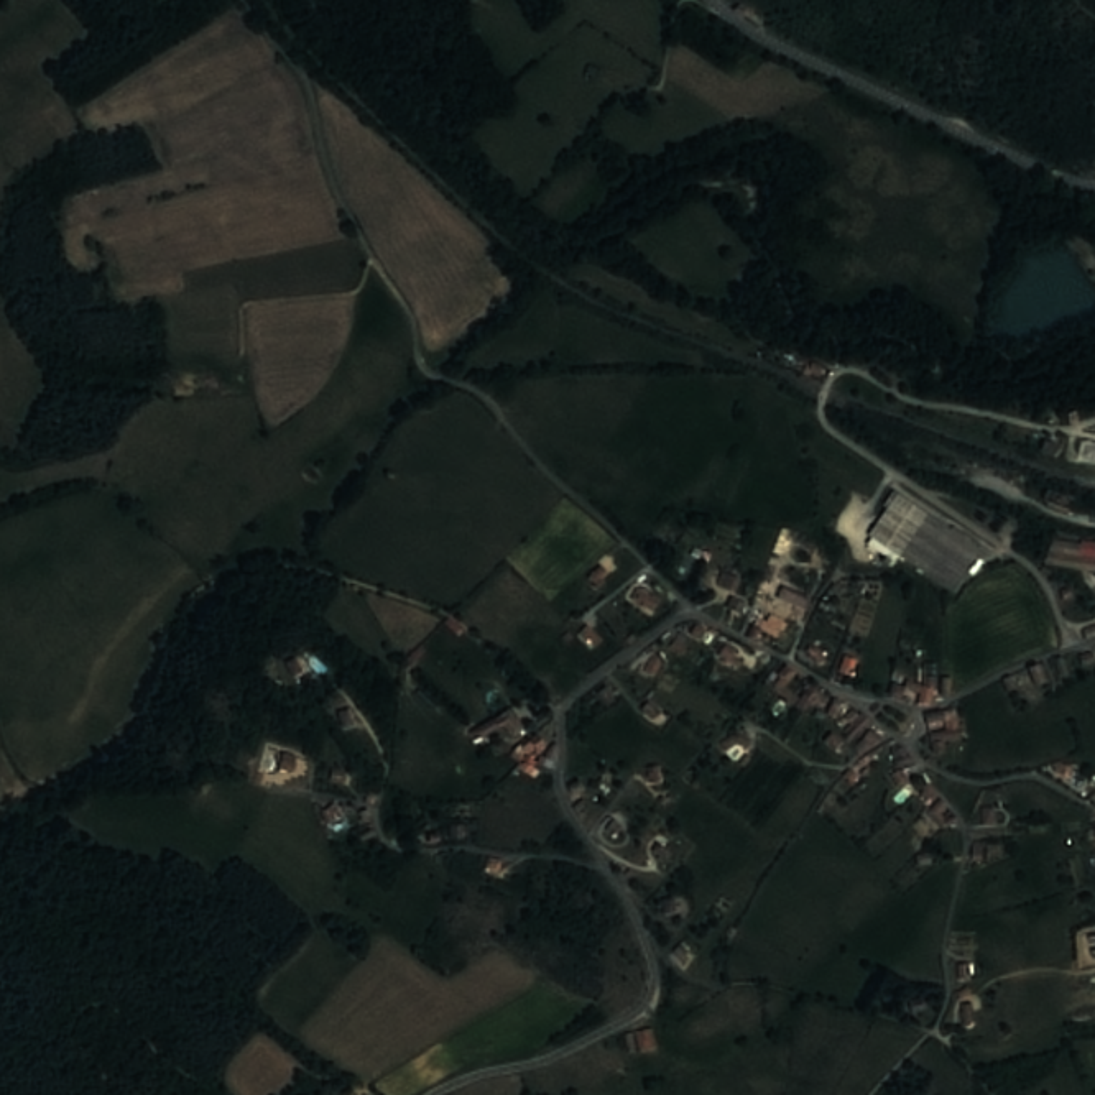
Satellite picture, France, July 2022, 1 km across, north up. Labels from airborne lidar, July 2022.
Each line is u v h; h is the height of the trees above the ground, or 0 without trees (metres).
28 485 0
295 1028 0
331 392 0
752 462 0
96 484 6
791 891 0
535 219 20
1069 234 19
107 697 0
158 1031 16
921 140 0
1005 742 0
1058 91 12
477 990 0
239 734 9
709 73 0
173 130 0
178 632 11
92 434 22
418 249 0
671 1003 9
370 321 0
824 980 0
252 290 0
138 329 15
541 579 0
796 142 17
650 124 0
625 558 0
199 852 0
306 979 0
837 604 6
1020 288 0
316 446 0
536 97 0
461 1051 0
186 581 0
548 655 0
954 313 0
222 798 0
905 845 0
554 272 11
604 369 12
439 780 0
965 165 0
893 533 0
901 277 0
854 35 6
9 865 21
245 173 0
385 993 0
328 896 0
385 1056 0
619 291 0
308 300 0
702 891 0
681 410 0
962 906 0
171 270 0
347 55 24
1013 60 10
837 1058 0
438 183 6
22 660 0
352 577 8
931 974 0
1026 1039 0
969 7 14
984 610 0
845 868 0
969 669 0
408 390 0
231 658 17
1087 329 18
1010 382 9
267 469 0
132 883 15
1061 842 0
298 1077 12
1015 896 0
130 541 0
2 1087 16
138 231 0
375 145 0
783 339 20
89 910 16
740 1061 0
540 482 0
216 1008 10
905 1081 6
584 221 9
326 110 0
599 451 0
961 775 6
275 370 0
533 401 0
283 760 0
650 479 0
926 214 0
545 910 9
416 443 0
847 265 0
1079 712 0
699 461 0
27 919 18
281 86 0
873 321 25
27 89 0
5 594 0
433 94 23
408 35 19
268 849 0
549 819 0
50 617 0
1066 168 8
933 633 0
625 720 0
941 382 10
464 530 0
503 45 0
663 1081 7
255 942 14
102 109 0
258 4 16
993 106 18
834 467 0
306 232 0
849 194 0
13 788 0
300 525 0
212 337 0
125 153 13
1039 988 0
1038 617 0
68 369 15
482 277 0
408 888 0
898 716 8
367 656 8
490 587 0
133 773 22
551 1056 0
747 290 27
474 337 17
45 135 0
